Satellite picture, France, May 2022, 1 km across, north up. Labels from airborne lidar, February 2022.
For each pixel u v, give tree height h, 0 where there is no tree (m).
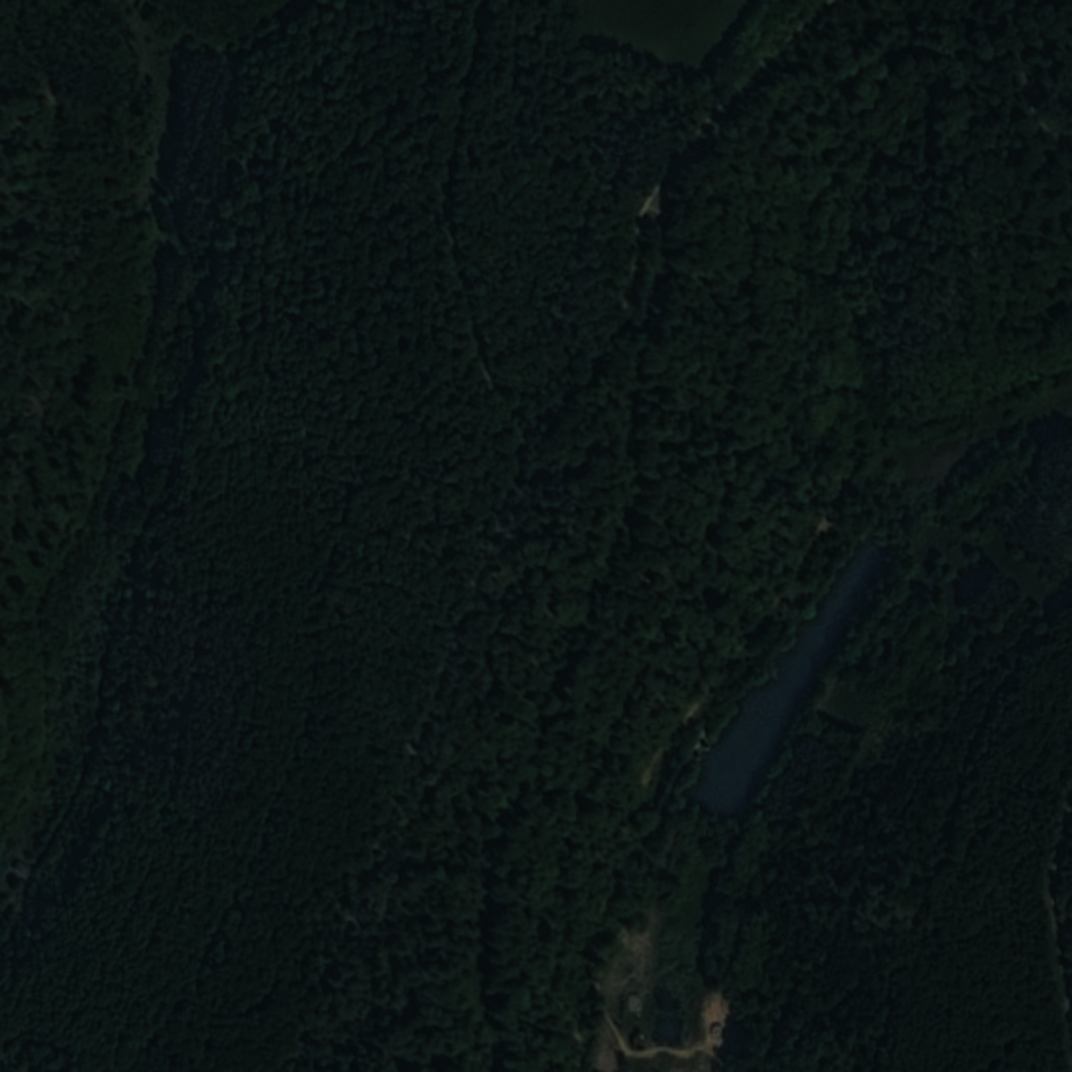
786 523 37
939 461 0
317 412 28
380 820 15
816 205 41
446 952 34
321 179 29
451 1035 31
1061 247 35
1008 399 12
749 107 34
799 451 14
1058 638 24
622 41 0
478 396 24
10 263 32
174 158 32
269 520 27
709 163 35
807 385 40
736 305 30
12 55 19
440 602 27
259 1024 29
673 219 30
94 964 29
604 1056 0
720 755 0
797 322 34
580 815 39
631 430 29
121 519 30
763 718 0
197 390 31
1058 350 35
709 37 0
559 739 38
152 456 27
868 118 45
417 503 29
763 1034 18
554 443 31
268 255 37
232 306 34
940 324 37
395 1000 23
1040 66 21
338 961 33
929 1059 19
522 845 39
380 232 28
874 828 18
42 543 34
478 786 37
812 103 42
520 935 35
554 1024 27
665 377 41
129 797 28
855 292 39
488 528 26
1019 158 32
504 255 25
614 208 26
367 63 34
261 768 29
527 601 33
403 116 33
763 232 39
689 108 29
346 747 25
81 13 14
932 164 28
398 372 31
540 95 33
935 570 15
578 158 29
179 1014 31
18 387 31
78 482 40
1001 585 31
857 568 0
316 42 39
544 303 29
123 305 12
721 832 11
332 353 33
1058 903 14
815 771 24
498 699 33
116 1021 27
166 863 28
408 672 25
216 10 15
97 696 11
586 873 33
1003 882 25
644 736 31
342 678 27
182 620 32
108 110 29
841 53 38
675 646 43
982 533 13
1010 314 33
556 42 30
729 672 16
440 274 30
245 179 29
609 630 39
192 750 28
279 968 26
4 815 18
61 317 28
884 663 33
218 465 32
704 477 34
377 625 26
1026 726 22
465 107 27
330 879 30
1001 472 14
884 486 14
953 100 37
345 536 22
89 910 31
